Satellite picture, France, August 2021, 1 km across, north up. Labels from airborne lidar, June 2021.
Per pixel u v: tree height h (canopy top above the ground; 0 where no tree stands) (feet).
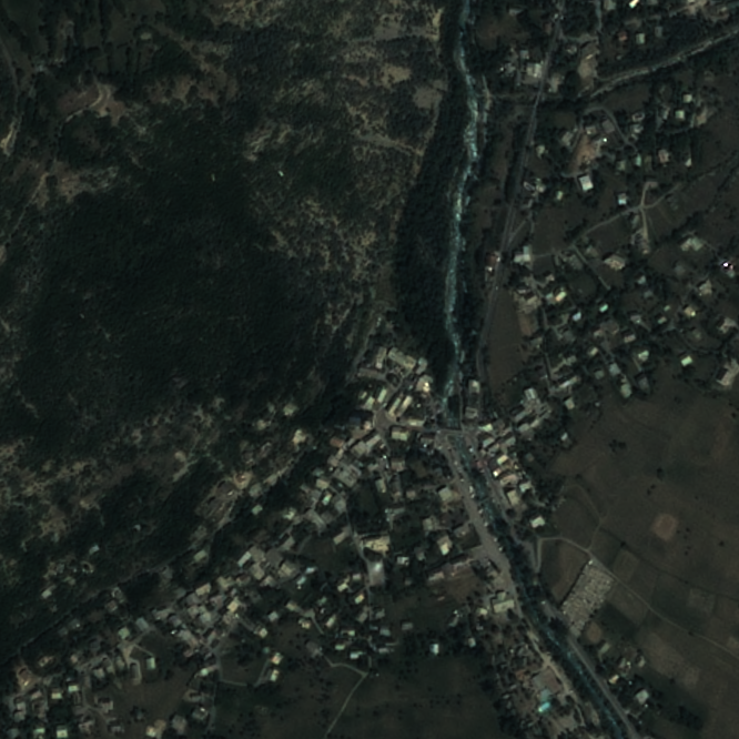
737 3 0
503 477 0
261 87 29
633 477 0
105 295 29
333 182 24
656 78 29
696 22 32
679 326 20
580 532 0
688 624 0
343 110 32
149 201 21
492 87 38
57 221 32
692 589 0
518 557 73
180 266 21
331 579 53
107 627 21
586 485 0
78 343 23
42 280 26
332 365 26
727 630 0
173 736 21
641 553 0
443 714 0
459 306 19
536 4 35
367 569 43
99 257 45
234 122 39
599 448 0
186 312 35
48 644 54
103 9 47
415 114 32
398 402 0
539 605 28
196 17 25
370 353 32
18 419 20
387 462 0
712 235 0
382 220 36
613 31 42
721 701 0
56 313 27
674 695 0
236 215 32
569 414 55
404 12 25
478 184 35
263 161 28
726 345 25
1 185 27
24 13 0
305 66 26
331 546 0
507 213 0
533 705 0
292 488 31
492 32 0
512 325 0
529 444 18
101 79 49
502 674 43
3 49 0
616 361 28
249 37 60
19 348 24
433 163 59
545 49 21
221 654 0
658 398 0
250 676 0
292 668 23
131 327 31
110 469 20
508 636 38
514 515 31
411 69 24
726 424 0
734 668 0
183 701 0
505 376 0
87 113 31
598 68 19
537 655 29
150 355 25
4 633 39
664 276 17
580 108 29
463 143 19
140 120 20
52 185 31
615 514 0
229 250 46
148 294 25
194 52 20
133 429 29
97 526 28
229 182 30
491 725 0
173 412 23
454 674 0
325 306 46
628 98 0
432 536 18
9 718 34
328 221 21
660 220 0
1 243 29
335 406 54
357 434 0
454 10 20
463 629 44
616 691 31
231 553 47
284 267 33
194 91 31
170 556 25
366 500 0
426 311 25
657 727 0
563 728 0
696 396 0
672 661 0
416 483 27
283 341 27
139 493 40
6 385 22
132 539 33
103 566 29
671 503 0
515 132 28
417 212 59
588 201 22
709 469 0
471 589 0
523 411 0
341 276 20
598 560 0
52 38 34
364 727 0
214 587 51
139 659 0
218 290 26
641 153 33
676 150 59
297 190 23
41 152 24
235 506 20
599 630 0
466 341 33
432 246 29
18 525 20
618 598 0
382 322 0
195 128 27
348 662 19
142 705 0
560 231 0
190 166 28
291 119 34
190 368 31
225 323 36
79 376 23
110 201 39
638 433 0
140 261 25
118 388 22
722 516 0
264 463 37
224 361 29
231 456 29
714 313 27
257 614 23
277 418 27
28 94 36
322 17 20
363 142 21
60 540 24
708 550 0
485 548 0
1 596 38
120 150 40
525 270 31
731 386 0
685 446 0
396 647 0
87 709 0
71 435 28
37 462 30
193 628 29
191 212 22
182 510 24
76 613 39
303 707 0
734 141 0
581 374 42
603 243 0
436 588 0
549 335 17
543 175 0
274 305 28
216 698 20
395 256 28
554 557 0
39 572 39
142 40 19
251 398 42
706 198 0
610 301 33
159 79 25
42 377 30
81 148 22
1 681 47
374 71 22
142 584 39
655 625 0
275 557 0
